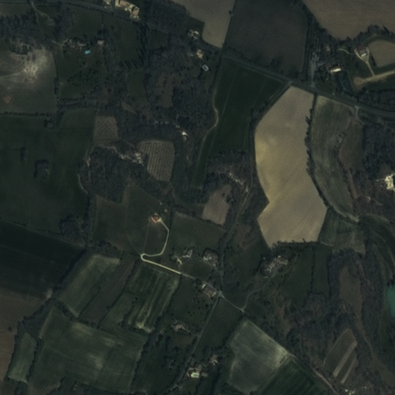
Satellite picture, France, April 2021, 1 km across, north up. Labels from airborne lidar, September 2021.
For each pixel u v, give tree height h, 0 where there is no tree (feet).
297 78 37
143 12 53
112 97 35
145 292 0
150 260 0
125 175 49
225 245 56
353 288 0
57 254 0
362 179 36
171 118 26
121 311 0
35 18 24
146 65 94
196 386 0
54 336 0
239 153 31
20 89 0
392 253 0
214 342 0
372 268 64
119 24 0
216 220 0
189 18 109
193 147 30
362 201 52
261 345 0
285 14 0
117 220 0
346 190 0
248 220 56
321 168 0
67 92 0
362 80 0
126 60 0
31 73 0
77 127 0
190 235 0
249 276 0
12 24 74
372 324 89
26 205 0
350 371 0
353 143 0
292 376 0
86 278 0
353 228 0
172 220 34
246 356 0
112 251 53
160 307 0
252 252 0
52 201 0
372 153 44
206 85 47
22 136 0
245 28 0
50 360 0
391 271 0
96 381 0
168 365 50
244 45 0
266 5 0
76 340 0
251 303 0
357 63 47
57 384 0
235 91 0
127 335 0
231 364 0
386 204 33
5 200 0
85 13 0
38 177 34
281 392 0
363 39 57
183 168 20
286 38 0
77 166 0
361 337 60
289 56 0
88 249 49
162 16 106
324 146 0
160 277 0
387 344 0
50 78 0
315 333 61
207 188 63
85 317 0
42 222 0
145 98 0
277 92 0
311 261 0
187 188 53
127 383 0
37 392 0
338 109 0
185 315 0
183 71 33
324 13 0
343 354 0
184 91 35
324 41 57
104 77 0
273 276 0
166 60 52
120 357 0
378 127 33
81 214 0
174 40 76
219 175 27
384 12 0
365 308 54
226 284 22
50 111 0
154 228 0
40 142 0
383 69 0
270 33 0
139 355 0
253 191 33
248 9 0
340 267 46
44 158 0
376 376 55
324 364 0
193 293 0
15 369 0
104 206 0
